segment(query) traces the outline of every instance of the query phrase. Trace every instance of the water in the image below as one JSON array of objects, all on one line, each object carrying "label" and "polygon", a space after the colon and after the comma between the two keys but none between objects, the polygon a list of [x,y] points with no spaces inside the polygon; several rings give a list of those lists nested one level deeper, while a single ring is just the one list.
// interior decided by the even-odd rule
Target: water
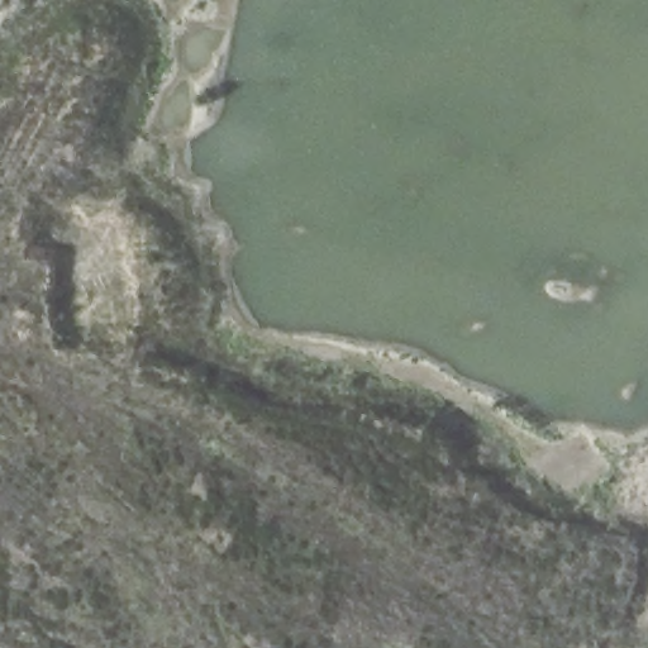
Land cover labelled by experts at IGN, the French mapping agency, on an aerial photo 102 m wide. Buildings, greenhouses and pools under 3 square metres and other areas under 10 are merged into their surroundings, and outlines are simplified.
[{"label": "water", "polygon": [[478,390],[494,395],[494,400],[501,408],[529,420],[537,430],[552,423],[582,423],[590,428],[618,433],[635,433],[640,428],[648,428],[648,0],[238,0],[223,78],[205,89],[210,96],[210,104],[205,104],[205,109],[213,124],[203,129],[197,137],[192,137],[190,144],[192,175],[197,180],[210,182],[213,215],[225,223],[230,238],[238,243],[238,253],[230,256],[230,273],[256,324],[261,329],[276,329],[286,334],[327,334],[354,344],[415,349],[425,359],[438,362],[458,380],[478,385]]}]

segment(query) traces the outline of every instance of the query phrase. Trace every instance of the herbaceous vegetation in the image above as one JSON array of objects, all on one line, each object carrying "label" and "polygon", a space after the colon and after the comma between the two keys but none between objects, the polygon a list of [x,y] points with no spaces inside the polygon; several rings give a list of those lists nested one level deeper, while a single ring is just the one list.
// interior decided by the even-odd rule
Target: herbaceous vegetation
[{"label": "herbaceous vegetation", "polygon": [[[618,504],[615,486],[623,478],[618,473],[608,473],[608,478],[600,483],[582,483],[564,494],[547,478],[539,478],[532,468],[527,468],[514,446],[514,438],[506,433],[501,423],[476,420],[456,402],[425,387],[405,385],[392,375],[357,372],[347,377],[329,359],[319,359],[301,349],[263,342],[246,332],[233,334],[230,329],[223,329],[218,324],[225,286],[218,273],[218,253],[213,243],[197,246],[192,240],[192,228],[203,225],[203,218],[192,213],[192,192],[170,182],[167,177],[167,144],[159,147],[157,157],[147,159],[142,167],[134,167],[127,159],[149,111],[149,99],[162,81],[162,73],[170,68],[167,56],[162,56],[162,41],[157,33],[157,20],[162,10],[149,0],[0,0],[0,648],[648,648],[648,519],[628,516]],[[122,213],[129,213],[137,225],[147,228],[147,261],[157,266],[159,276],[154,284],[139,286],[142,314],[134,337],[127,342],[109,342],[101,324],[78,324],[73,243],[78,240],[81,225],[76,225],[71,215],[76,197],[84,195],[94,200],[111,200],[122,190],[127,190]],[[228,529],[233,537],[230,547],[220,552],[213,542],[203,537],[205,529]]]}]

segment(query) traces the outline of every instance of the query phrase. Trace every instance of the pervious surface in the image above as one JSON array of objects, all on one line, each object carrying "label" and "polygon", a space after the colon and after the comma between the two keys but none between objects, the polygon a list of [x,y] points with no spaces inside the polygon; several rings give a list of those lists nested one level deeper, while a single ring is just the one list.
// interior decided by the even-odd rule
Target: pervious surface
[{"label": "pervious surface", "polygon": [[78,324],[101,324],[109,342],[127,342],[134,337],[142,314],[139,286],[154,284],[159,276],[157,266],[147,261],[147,228],[137,225],[129,213],[122,213],[127,190],[122,190],[111,200],[94,200],[84,195],[76,197],[71,215],[76,225],[81,225],[78,240],[73,243]]},{"label": "pervious surface", "polygon": [[134,167],[142,167],[147,159],[157,157],[159,147],[167,144],[167,177],[170,182],[192,192],[192,213],[203,218],[203,225],[192,228],[192,240],[197,246],[213,243],[218,253],[218,273],[225,286],[218,324],[223,329],[230,329],[233,334],[246,332],[263,342],[301,349],[319,359],[329,359],[347,377],[357,372],[392,375],[405,385],[425,387],[456,402],[476,420],[501,423],[506,433],[514,438],[514,446],[527,468],[532,468],[539,478],[547,478],[564,494],[582,483],[600,483],[608,478],[608,473],[618,473],[623,478],[615,486],[618,504],[628,516],[648,519],[648,428],[640,428],[635,433],[618,433],[590,428],[582,423],[552,423],[537,430],[529,420],[501,408],[494,400],[494,395],[478,390],[478,385],[458,380],[438,362],[425,359],[415,349],[354,344],[327,334],[286,334],[276,329],[261,329],[256,324],[230,273],[230,256],[238,253],[238,243],[230,238],[225,223],[213,215],[210,182],[197,180],[192,175],[190,144],[192,137],[197,137],[203,129],[213,124],[205,109],[205,104],[210,104],[210,96],[205,89],[223,78],[238,0],[149,0],[162,10],[157,20],[157,33],[162,41],[162,56],[167,56],[170,68],[162,73],[162,81],[149,99],[149,111],[127,159]]},{"label": "pervious surface", "polygon": [[205,529],[203,537],[213,542],[220,552],[230,547],[233,537],[228,529]]}]

